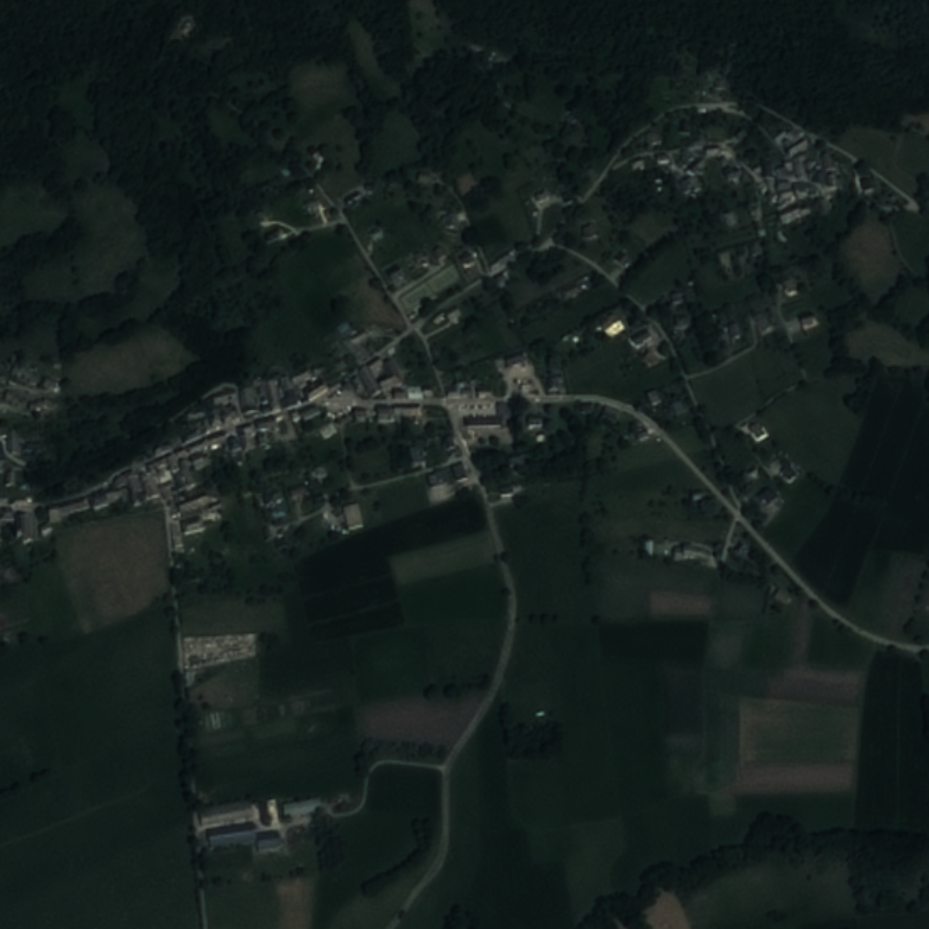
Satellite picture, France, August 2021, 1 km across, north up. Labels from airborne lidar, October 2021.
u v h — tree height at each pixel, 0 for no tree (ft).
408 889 0
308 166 30
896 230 0
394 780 0
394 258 0
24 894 0
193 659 0
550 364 48
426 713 0
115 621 0
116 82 64
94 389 0
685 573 0
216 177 54
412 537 0
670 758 0
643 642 0
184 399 34
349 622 0
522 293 0
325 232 0
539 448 31
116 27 64
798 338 0
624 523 0
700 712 0
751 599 0
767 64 77
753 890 0
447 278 0
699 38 45
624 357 0
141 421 40
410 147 0
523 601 0
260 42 29
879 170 0
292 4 30
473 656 0
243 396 0
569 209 26
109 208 0
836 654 0
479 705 0
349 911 0
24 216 0
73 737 0
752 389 0
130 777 0
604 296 0
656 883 75
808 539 0
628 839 0
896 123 36
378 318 0
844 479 0
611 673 0
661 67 68
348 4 37
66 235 61
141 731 0
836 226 0
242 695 0
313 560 0
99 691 0
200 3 51
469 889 0
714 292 0
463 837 0
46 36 51
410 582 0
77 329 50
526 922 0
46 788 0
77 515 25
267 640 32
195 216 64
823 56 31
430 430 31
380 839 0
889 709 0
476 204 51
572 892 0
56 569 0
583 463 23
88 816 0
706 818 0
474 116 54
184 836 0
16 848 0
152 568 0
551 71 51
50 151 67
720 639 0
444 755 20
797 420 0
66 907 0
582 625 0
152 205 81
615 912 87
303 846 0
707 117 57
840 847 64
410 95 54
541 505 0
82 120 0
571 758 0
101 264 0
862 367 37
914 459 0
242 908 0
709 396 0
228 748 0
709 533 0
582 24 38
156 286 0
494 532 0
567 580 0
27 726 0
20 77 67
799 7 39
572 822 0
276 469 26
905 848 75
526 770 0
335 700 0
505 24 54
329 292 0
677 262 0
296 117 45
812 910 0
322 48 49
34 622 0
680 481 0
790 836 62
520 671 0
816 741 0
